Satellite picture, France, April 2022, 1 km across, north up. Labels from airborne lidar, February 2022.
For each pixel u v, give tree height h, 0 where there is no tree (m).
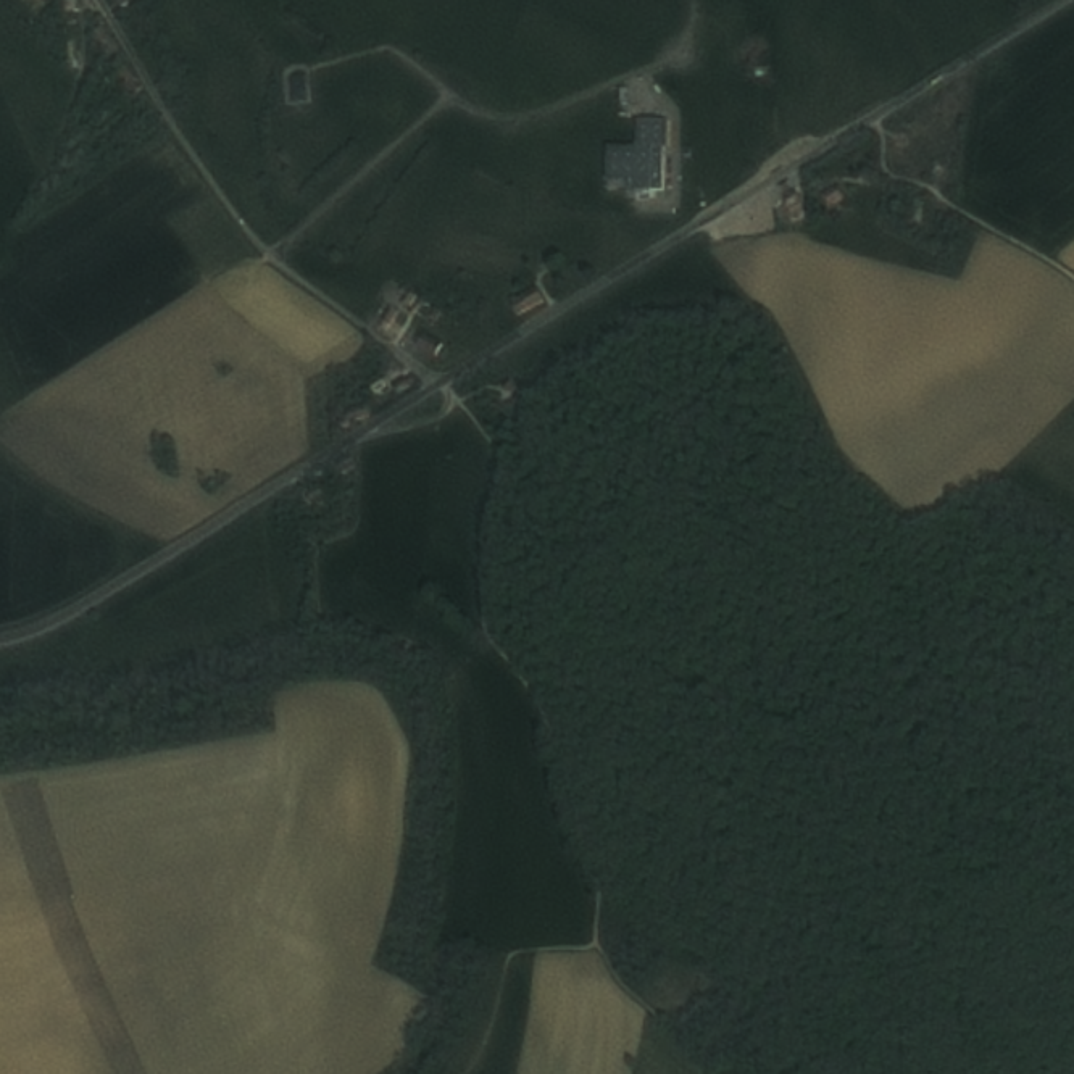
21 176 0
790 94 0
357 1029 0
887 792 25
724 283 0
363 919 0
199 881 0
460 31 0
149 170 0
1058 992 25
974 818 27
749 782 28
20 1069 0
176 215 0
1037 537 24
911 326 0
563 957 0
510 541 24
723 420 25
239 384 0
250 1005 0
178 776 0
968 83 0
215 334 0
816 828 26
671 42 0
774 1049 27
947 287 0
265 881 0
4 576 0
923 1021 25
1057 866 22
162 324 0
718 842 25
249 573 0
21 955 0
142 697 9
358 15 0
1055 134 0
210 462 0
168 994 0
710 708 23
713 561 26
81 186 10
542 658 23
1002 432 0
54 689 28
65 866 0
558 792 22
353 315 0
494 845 0
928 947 23
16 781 0
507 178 0
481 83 0
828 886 25
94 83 13
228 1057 0
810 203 10
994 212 0
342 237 0
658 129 0
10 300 0
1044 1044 21
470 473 0
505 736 0
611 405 18
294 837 0
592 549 24
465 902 0
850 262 0
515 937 0
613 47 0
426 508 0
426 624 0
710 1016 21
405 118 0
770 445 26
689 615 24
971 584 22
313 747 0
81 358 0
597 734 23
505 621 22
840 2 0
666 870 27
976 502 21
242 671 31
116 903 0
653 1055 0
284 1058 0
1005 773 24
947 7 0
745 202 0
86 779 0
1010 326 0
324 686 0
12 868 0
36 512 0
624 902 20
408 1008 0
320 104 0
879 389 0
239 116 0
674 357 26
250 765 0
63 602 0
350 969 0
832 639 28
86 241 0
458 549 0
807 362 0
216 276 0
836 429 0
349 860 0
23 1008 0
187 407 0
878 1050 23
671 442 27
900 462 0
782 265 0
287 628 0
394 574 0
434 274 0
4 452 0
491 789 0
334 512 7
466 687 0
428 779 22
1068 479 0
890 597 24
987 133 0
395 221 0
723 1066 22
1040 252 0
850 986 25
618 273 0
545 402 24
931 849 23
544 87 0
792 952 24
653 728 26
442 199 0
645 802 26
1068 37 0
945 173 0
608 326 0
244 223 0
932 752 28
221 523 0
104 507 0
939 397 0
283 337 0
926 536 27
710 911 24
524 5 0
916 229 6
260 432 0
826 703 23
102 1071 0
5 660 0
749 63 9
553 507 23
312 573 8
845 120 0
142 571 0
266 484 0
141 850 0
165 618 0
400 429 0
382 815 0
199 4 0
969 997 21
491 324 0
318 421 0
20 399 0
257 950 0
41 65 0
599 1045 0
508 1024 0
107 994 0
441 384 0
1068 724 28
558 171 0
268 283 0
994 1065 20
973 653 25
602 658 23
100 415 0
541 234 0
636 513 29
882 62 0
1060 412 0
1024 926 22
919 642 25
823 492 22
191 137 0
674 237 0
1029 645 24
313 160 0
